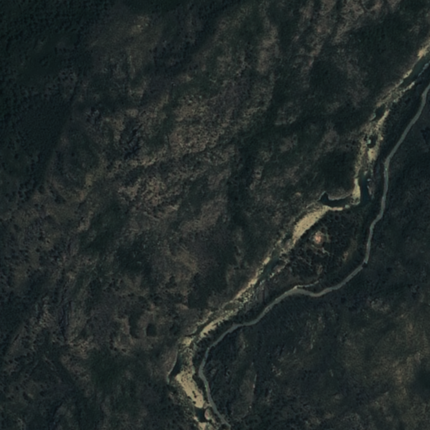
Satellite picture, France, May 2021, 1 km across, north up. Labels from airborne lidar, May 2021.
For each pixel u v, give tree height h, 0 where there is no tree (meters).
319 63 12
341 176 11
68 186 11
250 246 6
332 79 10
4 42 22
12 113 8
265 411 7
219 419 11
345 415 13
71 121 15
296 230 0
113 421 6
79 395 18
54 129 20
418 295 14
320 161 7
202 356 16
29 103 19
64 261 15
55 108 22
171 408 20
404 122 6
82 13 6
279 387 15
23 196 17
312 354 0
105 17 16
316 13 8
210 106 17
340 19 8
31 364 15
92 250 6
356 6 0
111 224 6
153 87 16
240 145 6
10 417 10
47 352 17
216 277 17
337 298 7
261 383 17
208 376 7
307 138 7
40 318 8
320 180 8
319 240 0
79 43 16
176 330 19
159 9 12
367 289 8
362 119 6
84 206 14
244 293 0
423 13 7
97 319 27
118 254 6
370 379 0
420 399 0
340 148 9
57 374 21
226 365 8
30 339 24
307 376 10
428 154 7
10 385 16
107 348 13
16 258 16
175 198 12
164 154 10
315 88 5
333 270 11
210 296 18
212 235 21
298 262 12
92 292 11
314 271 10
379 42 7
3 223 22
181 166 10
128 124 12
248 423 16
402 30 10
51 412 8
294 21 6
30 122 22
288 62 8
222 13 14
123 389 8
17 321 18
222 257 20
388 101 0
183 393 0
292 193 7
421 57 0
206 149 16
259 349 8
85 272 6
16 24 23
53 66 6
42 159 20
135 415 8
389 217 6
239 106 14
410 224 5
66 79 11
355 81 6
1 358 17
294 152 8
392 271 19
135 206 14
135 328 18
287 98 6
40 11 27
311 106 6
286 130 10
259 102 6
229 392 6
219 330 8
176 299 16
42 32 11
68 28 16
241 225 8
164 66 15
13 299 16
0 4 9
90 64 18
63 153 14
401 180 9
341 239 11
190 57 14
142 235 7
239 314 7
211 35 12
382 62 8
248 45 8
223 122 9
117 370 6
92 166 12
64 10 23
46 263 15
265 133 11
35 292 15
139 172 13
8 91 26
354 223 7
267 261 0
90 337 8
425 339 0
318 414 11
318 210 0
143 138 10
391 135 6
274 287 15
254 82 17
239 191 8
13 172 15
